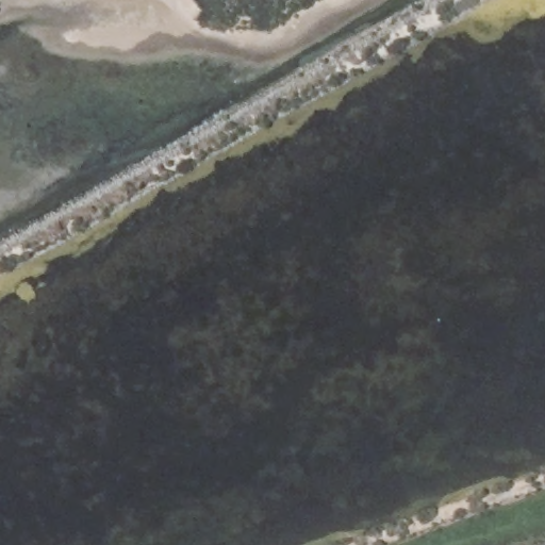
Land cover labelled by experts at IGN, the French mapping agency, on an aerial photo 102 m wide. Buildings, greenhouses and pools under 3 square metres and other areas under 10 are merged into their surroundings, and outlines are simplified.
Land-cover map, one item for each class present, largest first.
<instances>
[{"label":"water","instance_id":"1","mask_svg":"<svg viewBox=\"0 0 545 545\"><path fill-rule=\"evenodd\" d=\"M413 0H385L377 9L356 17L353 21H349L334 34L326 36L324 40L302 49L292 60L279 64L277 68L260 75L249 83L238 85L230 81L232 64L226 62L217 64L204 57H181L153 64L75 60L45 51L43 45L36 38L23 34L15 21L0 26V189L19 187L23 162L34 168L60 166L70 172L68 177L49 183L43 189V198H38L36 202H28L23 209H15L0 219V241L28 228L34 221H40L45 215L85 196L94 187L141 164L153 151L168 147L172 141L187 134L196 126L213 119L217 111L232 109L251 100L270 85L290 77L296 68L315 62L317 55L330 51L336 43L356 36L368 26L381 23L390 15L409 6ZM28 285L34 292L32 300H23L17 294H6L0 298V545H302L321 539L330 532L356 530L364 519H373V524L381 530H383L385 519L392 513L407 509L417 498L436 496L443 502V498H447L449 494H456L473 483L492 477H511L515 481L522 479L526 473L545 470V15L536 19H519L498 40L492 43H479L470 38L466 32H456L451 36L434 34L432 43L424 49L422 57L415 62L411 57L398 62L383 77H375L366 85L347 92L336 109L315 111L292 136L255 145L243 155L219 160L215 162L211 175L194 183H187L185 187H179L175 192L162 189L153 196V200L147 207H141L132 211L126 219H121L115 232L96 241V245L89 251L79 255H57L47 262L45 270L43 275L28 277ZM409 545H545V494L534 498L530 494L511 505H492L488 513H481L458 524L451 522L449 526H439L434 530L419 534Z\"/></svg>","mask_w":545,"mask_h":545},{"label":"pervious surface","instance_id":"2","mask_svg":"<svg viewBox=\"0 0 545 545\"><path fill-rule=\"evenodd\" d=\"M385 0H317L313 6L298 11L292 19L277 26L275 30L262 32L207 28L198 21L200 9L194 0H0V26L15 21L23 34L36 38L43 45L45 51L75 60L153 64L181 57H204L217 64L226 62L232 64L230 81L238 85L249 83L260 75L277 68L279 64L292 60L302 49L324 40L326 36L334 34L349 21H353L356 17L377 9ZM545 15V0H479L477 6L458 13L453 19H441L436 30H411L409 36H404L409 40L411 57L415 62L422 57L424 49L432 43L434 34L451 36L456 32H466L470 38L479 43H492L498 40L519 19H536ZM398 62L387 53L379 66L368 64V70H347L345 81L341 85H332L330 79L317 77L313 83L304 85L302 92H294L292 98H277L273 104L264 106L262 115L255 117L260 130L253 138H249V128L241 121L226 123L217 134L196 145L189 143L187 134L172 141L168 147L153 151L141 164L94 187L85 196L45 215L40 221H34L28 228L0 241V258L15 255L13 247H23V243L30 241L36 232L49 230L66 215H77L81 209L94 204L111 192H117L136 177L149 175L151 181H162V189L175 192L179 187H185L187 183H194L211 175L215 162L219 160L243 155L255 145L292 136L315 111L336 109L347 92L366 85L375 77H383ZM19 187L0 189V219L15 209H23L28 202H36L38 198H43V189L49 183L68 177L70 172L60 166L34 168L23 162ZM45 270L38 264L26 262L11 273L0 270V298L6 294H17L23 300H32L34 292L28 285V277L43 275ZM532 485L522 479L515 481L513 488L507 492L488 494L485 502L492 505H511L530 494ZM470 507L468 500H453L449 505H441L434 517L426 522L417 519L409 526L411 532L419 534L434 530L439 526H449L451 522L456 511ZM398 534H390L383 530H381L368 534L366 545H396Z\"/></svg>","mask_w":545,"mask_h":545},{"label":"herbaceous vegetation","instance_id":"3","mask_svg":"<svg viewBox=\"0 0 545 545\"><path fill-rule=\"evenodd\" d=\"M479 0H413L409 6L390 15L381 23L368 26L356 36L336 43L330 51L317 55L315 62L296 68L290 77L270 85L251 100L232 109L217 111L213 119L196 126L187 134L189 143L196 145L217 134L226 123L241 121L249 128V138H253L260 130L255 117L262 115L264 106L273 104L277 98H292L294 92H302L304 85L313 83L317 77L330 79L332 85H341L345 81L347 70H368V64L379 66L387 53L398 62L411 57L409 40L404 36H409L411 30H436L441 19H453L458 13L477 6ZM162 181H151L149 175L136 177L117 192H111L94 204L81 209L77 215H66L49 230L36 232L30 241L23 243V247H13L15 255L0 258V270L11 273L26 262L38 264L45 270L47 262L57 255H79L89 251L96 245V241L115 232L121 219H126L132 211L141 207H147L153 200V196L162 189Z\"/></svg>","mask_w":545,"mask_h":545},{"label":"brushwood","instance_id":"4","mask_svg":"<svg viewBox=\"0 0 545 545\"><path fill-rule=\"evenodd\" d=\"M200 9L198 21L207 28L262 32L275 30L277 26L292 19L298 11L313 6L317 0H194ZM522 479L532 485L530 494L534 498L545 494V470L526 473ZM515 481L511 477H492L473 483L456 494H449L447 498H443V502L436 496L417 498L407 509L392 513L385 519L383 530L390 534H398L396 545H409L419 534L411 532L409 526L417 519L426 522L434 517L441 505H449L453 500H468L470 507L456 511L451 522L458 524L481 513H488L492 505L485 502L488 494L507 492L513 488ZM381 530L373 524V519H364L356 530L330 532L321 539L302 545H366L368 534Z\"/></svg>","mask_w":545,"mask_h":545}]
</instances>
